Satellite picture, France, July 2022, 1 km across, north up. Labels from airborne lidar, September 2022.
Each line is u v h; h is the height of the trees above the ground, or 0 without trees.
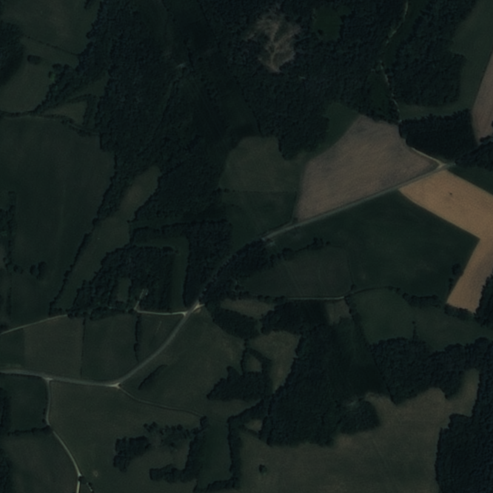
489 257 0
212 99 10
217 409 0
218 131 8
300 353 22
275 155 0
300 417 22
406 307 0
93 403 0
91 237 16
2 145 0
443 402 0
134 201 0
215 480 0
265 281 0
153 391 0
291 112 22
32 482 0
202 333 0
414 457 0
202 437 22
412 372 22
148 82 20
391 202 0
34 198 0
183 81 8
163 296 9
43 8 0
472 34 0
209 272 22
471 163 21
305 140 19
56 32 0
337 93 20
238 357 0
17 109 0
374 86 6
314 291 0
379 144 0
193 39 13
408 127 23
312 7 24
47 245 0
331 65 26
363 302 0
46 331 0
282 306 14
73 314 12
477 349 28
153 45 19
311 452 0
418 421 0
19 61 7
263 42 6
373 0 25
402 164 0
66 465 0
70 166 0
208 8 20
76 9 0
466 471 22
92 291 21
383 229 0
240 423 15
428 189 0
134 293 17
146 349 0
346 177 0
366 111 11
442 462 24
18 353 0
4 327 13
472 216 0
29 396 0
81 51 0
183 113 17
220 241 20
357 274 0
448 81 22
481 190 0
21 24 0
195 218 7
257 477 0
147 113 16
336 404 14
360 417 12
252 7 19
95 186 0
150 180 0
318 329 29
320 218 0
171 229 18
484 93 0
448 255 0
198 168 17
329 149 0
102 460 0
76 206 0
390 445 0
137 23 21
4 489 8
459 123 25
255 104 17
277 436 18
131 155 16
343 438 0
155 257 19
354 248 0
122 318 0
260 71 21
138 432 0
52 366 0
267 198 0
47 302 0
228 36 20
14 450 0
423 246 0
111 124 16
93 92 0
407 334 0
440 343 0
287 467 0
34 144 0
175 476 18
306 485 0
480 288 0
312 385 22
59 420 0
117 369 0
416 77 19
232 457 12
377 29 19
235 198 0
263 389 21
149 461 0
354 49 20
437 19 24
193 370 0
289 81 11
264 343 0
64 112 0
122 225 0
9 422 20
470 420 16
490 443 22
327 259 0
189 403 0
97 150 0
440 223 0
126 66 19
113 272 20
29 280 0
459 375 22
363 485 0
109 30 20
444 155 13
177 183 21
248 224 0
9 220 12
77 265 8
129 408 0
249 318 14
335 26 0
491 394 33
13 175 0
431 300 14
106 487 0
